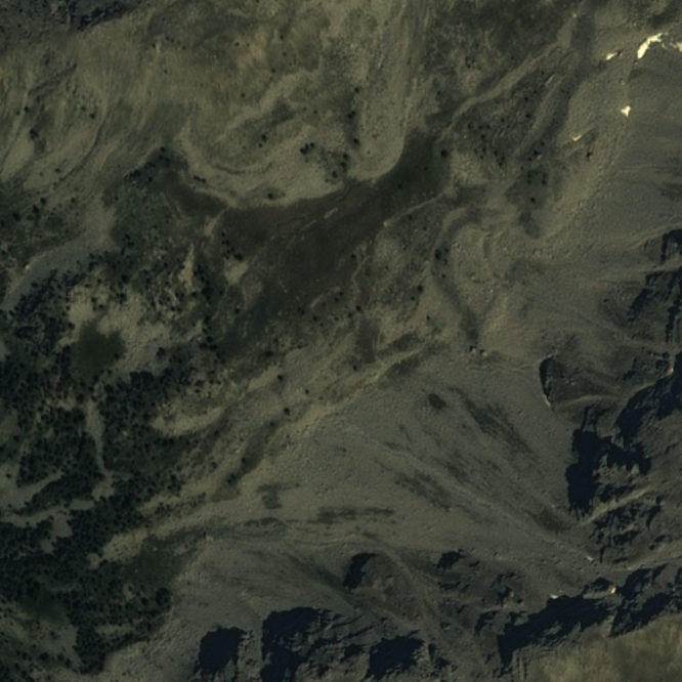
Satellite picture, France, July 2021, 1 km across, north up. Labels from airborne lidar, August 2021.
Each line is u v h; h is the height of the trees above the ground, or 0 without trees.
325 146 0
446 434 0
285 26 0
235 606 0
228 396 0
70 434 7
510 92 0
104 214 0
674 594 0
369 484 0
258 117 0
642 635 0
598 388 0
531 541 0
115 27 0
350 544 0
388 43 0
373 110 0
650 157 0
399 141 0
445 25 0
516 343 0
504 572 0
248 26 0
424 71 0
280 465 0
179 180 0
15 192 0
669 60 0
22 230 0
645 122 0
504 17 0
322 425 0
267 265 0
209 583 0
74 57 0
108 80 0
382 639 0
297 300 0
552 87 0
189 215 0
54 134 0
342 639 0
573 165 0
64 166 0
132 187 0
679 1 0
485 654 0
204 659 0
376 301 0
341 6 0
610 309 0
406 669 0
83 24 0
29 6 0
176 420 0
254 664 0
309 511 0
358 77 0
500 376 0
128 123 0
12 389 13
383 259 0
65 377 8
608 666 0
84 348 0
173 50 0
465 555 0
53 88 0
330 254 0
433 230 0
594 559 0
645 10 0
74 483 10
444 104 0
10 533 18
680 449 0
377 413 0
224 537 0
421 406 0
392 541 0
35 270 0
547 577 0
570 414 0
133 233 0
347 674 0
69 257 0
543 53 0
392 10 0
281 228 0
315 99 0
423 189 0
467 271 0
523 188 0
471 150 0
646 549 0
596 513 0
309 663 0
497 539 0
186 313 0
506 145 0
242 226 0
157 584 0
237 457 0
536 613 0
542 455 0
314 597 0
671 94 0
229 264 0
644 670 0
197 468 0
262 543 0
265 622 0
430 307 0
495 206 0
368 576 0
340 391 0
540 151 0
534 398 0
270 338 0
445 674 0
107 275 0
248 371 0
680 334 0
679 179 0
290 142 0
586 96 0
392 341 0
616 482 0
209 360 0
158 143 0
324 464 0
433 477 0
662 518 0
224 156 0
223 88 0
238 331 0
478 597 0
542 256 0
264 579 0
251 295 0
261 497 0
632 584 0
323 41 0
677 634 0
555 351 0
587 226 0
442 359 0
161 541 0
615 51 0
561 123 0
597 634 0
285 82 0
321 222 0
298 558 0
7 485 0
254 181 0
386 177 0
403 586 0
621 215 0
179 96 0
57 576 8
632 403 0
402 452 0
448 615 0
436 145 0
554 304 0
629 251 0
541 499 0
